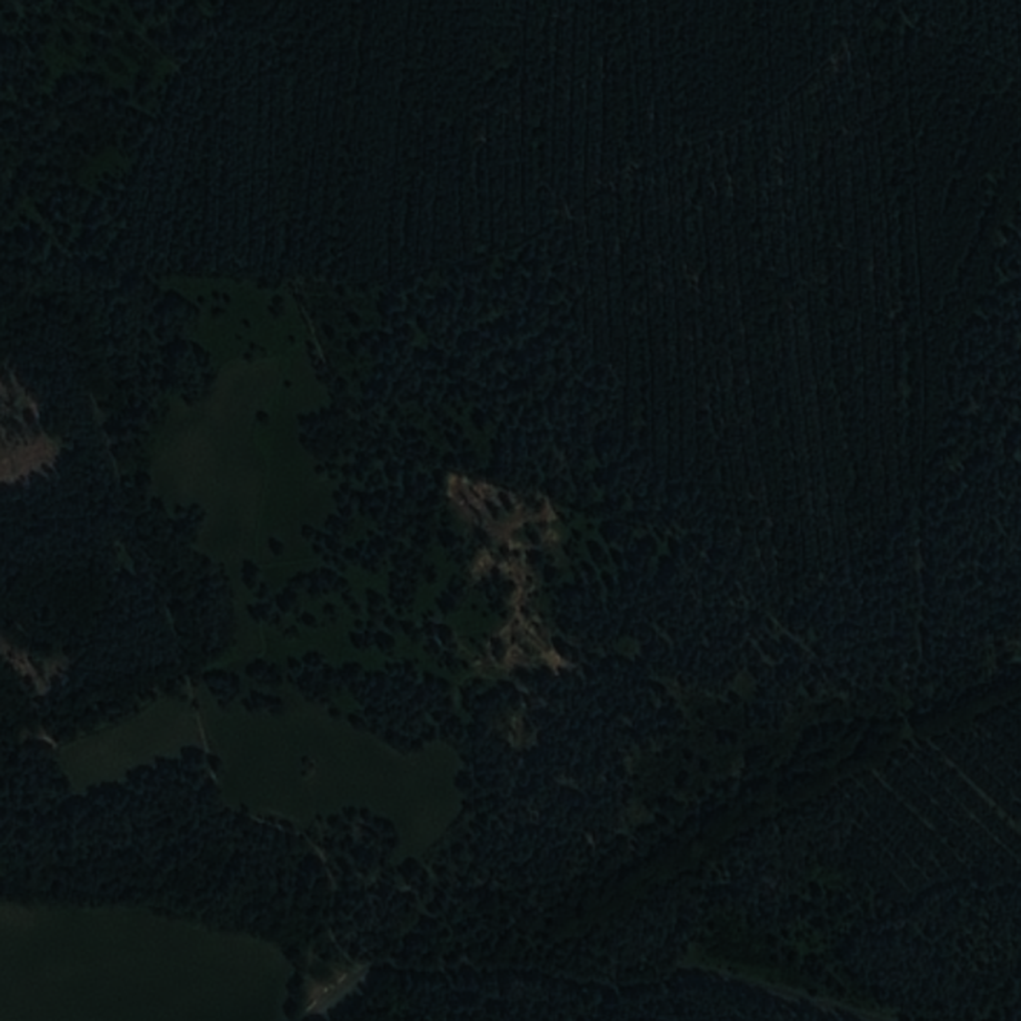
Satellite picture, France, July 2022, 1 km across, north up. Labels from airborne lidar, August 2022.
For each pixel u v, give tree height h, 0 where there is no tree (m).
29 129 18
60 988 0
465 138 14
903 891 14
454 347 17
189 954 0
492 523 0
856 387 17
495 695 18
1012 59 16
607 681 26
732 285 15
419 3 12
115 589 24
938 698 8
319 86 13
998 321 22
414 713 24
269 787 0
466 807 14
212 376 28
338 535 21
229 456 0
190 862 24
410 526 12
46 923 0
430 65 11
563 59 13
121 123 12
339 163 15
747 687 0
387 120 15
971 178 14
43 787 24
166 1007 0
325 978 0
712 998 28
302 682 15
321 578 16
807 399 12
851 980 6
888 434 16
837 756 20
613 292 14
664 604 27
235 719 0
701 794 9
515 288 25
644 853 13
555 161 18
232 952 0
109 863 30
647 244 13
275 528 0
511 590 12
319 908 21
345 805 0
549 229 22
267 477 0
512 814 20
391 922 19
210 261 21
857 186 15
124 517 28
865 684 15
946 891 24
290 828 15
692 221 11
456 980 29
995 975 12
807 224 15
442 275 11
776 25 13
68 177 12
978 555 14
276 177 16
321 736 0
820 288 12
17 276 20
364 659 0
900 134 11
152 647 24
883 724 15
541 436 32
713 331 15
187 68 16
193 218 6
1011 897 26
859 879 13
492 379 25
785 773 15
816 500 14
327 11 19
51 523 31
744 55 13
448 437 10
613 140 14
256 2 11
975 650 22
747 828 12
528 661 0
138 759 0
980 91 12
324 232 17
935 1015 7
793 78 16
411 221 19
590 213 15
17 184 17
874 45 13
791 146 15
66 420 24
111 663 21
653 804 9
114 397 7
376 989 21
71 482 21
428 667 0
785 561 15
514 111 18
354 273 15
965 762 15
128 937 0
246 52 16
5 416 7
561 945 18
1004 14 17
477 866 13
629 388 16
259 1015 0
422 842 0
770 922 17
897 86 15
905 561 28
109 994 0
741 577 20
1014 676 22
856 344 15
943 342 13
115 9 16
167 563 19
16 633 17
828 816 22
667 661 22
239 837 25
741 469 13
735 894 26
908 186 13
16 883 21
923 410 13
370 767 0
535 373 29
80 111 21
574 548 7
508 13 11
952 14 18
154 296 25
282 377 0
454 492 0
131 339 31
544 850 22
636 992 28
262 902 27
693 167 14
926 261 14
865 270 17
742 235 14
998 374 22
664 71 14
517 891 19
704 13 17
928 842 15
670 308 14
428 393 28
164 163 16
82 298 25
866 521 16
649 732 25
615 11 18
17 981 0
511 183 16
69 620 22
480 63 12
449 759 0
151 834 22
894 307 10
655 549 25
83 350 23
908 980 26
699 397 17
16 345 21
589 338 14
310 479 0
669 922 18
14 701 23
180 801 19
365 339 16
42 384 24
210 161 16
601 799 25
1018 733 17
